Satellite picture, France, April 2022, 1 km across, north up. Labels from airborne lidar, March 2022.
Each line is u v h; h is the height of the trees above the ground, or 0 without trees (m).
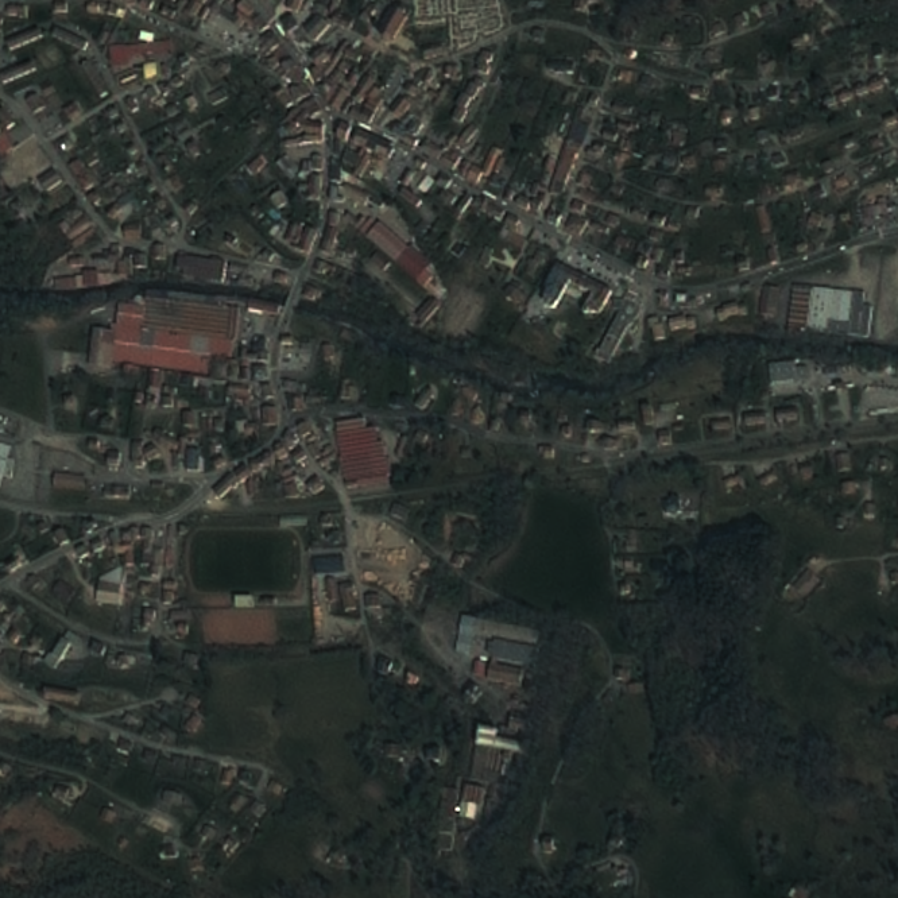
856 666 17
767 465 0
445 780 6
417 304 0
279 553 0
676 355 22
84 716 0
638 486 21
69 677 0
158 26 0
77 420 0
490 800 0
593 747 19
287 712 11
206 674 19
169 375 0
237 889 0
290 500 0
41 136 0
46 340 0
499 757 0
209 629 0
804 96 8
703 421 0
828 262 0
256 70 0
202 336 0
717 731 20
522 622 18
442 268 7
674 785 13
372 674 18
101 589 0
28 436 0
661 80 0
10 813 0
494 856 15
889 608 0
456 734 13
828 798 19
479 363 28
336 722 0
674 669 12
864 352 23
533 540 0
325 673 0
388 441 0
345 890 0
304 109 0
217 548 0
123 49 0
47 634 0
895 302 0
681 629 23
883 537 0
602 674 0
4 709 0
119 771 0
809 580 0
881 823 0
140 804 0
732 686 18
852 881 0
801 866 0
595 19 10
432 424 6
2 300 23
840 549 0
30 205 0
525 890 15
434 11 0
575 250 0
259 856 0
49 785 8
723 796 0
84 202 0
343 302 17
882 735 0
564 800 0
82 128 0
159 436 0
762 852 14
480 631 0
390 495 0
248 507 0
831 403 0
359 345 7
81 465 0
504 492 25
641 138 12
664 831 0
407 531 0
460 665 0
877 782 0
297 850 0
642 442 0
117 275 0
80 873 6
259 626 0
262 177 6
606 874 0
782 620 0
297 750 0
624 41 16
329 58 0
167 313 0
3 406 0
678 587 28
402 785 0
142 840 0
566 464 0
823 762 20
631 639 25
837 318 0
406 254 0
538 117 7
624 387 20
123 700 0
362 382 0
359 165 0
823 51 13
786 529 0
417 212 0
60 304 15
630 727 0
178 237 0
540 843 0
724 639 23
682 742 22
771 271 0
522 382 19
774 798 0
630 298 0
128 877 9
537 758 18
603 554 0
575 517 0
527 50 0
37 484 0
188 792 0
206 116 0
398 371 0
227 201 0
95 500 0
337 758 0
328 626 0
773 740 22
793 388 0
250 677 0
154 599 0
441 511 14
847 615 0
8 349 0
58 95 0
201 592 0
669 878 0
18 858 15
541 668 19
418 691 10
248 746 0
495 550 18
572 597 0
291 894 19
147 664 0
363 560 0
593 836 0
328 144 0
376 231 0
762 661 8
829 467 7
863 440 0
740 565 32
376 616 0
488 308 0
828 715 0
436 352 23
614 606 0
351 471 0
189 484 0
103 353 0
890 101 0
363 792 0
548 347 0
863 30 16
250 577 0
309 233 0
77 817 0
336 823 14
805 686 0
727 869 0
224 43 0
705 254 0
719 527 0
